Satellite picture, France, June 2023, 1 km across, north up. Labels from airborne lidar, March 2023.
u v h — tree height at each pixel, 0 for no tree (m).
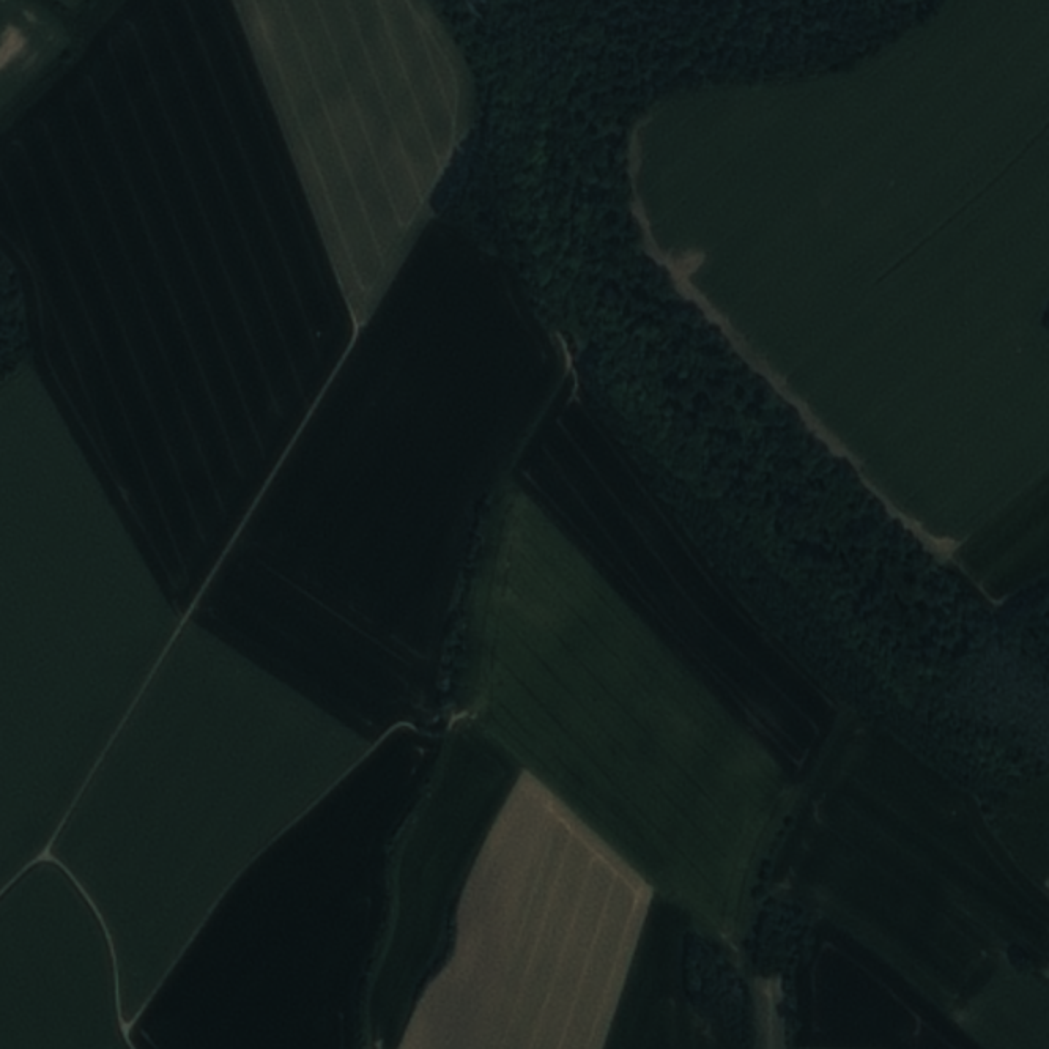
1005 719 20
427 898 0
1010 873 0
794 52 22
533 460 0
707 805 0
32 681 0
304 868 0
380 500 0
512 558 0
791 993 11
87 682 0
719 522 30
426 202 0
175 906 0
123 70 0
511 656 0
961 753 27
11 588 0
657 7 20
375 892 0
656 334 16
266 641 0
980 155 0
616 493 0
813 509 23
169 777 0
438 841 0
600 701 0
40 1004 0
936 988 0
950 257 0
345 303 0
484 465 0
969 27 0
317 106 0
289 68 0
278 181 0
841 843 0
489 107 16
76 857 0
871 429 0
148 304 0
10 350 21
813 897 0
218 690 0
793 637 29
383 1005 0
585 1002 0
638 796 0
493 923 0
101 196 0
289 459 0
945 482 0
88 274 0
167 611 0
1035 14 0
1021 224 0
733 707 0
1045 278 0
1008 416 0
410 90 0
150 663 0
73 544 0
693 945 22
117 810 0
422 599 0
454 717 0
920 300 0
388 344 0
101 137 0
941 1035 0
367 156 0
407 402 0
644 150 0
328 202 0
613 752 0
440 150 0
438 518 0
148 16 0
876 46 13
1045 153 0
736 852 0
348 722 0
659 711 0
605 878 0
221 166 0
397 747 0
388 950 0
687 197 0
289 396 0
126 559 0
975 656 24
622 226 21
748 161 0
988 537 0
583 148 25
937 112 0
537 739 0
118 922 0
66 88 0
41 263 0
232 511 0
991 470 0
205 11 0
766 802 0
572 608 0
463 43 10
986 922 0
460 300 0
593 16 17
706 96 0
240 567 0
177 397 0
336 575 0
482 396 0
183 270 0
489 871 0
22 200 0
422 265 0
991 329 0
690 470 25
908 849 0
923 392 0
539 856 0
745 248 0
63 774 0
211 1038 0
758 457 25
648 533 0
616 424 29
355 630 0
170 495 0
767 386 19
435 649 0
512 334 0
